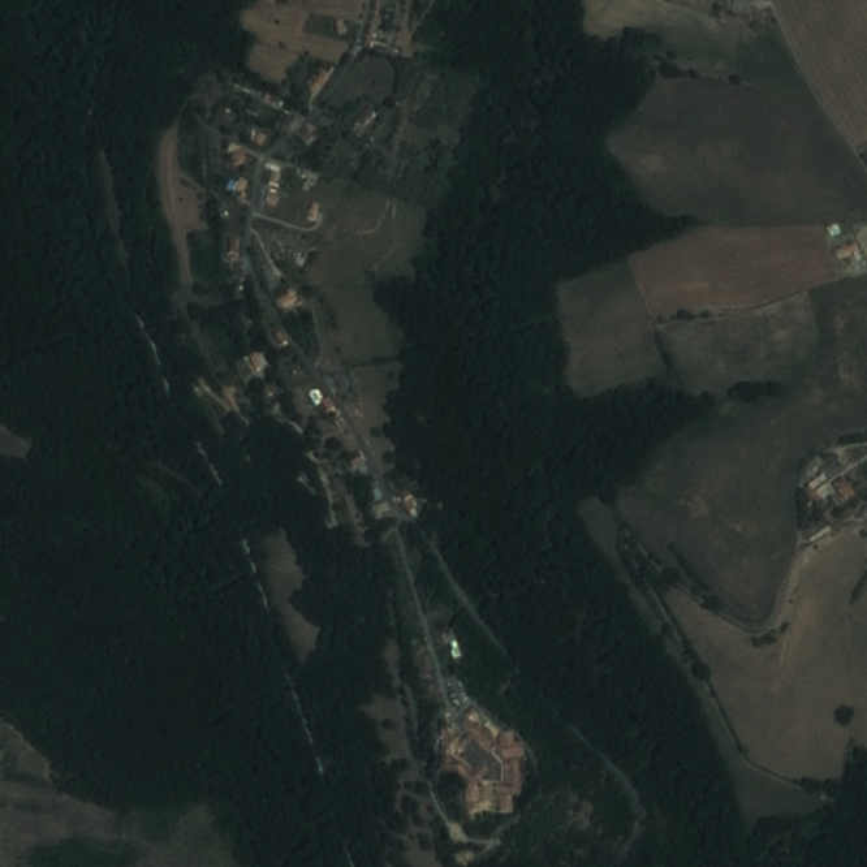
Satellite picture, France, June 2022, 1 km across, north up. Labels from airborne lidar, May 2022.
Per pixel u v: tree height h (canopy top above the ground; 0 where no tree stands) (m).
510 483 7
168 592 23
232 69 7
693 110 0
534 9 13
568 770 18
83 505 16
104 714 24
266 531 19
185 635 22
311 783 25
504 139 28
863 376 0
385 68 0
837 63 0
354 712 20
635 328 0
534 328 16
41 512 27
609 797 14
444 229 24
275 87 9
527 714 16
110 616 19
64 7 15
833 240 0
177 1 31
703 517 0
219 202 8
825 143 0
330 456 11
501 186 27
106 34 21
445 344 27
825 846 30
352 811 18
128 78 21
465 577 21
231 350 7
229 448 16
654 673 19
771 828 23
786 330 0
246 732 32
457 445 11
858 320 0
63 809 0
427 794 6
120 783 13
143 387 23
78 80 13
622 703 26
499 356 12
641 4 0
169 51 15
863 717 0
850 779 17
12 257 17
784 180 0
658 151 0
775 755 0
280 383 11
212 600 16
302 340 12
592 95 27
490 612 26
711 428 0
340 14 0
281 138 8
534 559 30
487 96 23
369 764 21
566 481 22
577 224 25
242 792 23
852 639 0
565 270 15
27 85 10
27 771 0
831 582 0
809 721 0
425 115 14
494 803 0
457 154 14
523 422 11
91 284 18
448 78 16
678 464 0
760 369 0
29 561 20
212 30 23
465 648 10
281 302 0
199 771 21
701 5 0
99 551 26
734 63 0
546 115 27
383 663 15
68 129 27
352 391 10
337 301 0
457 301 35
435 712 9
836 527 0
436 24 10
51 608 26
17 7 29
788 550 0
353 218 0
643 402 31
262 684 29
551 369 16
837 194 0
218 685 28
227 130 17
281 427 13
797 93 0
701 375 0
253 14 0
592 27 0
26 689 16
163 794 17
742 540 0
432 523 13
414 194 13
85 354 29
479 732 0
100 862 5
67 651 21
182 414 21
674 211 0
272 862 30
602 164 14
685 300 0
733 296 0
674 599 0
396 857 16
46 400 24
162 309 14
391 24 6
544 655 24
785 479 0
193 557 25
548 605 35
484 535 27
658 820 18
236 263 0
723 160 0
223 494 17
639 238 20
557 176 27
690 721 23
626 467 21
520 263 18
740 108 0
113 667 16
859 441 11
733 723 0
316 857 31
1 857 0
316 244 0
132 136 19
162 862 0
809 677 0
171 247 8
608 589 23
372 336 0
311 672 21
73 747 15
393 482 7
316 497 13
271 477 16
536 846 11
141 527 25
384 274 0
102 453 23
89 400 22
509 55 27
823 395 0
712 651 0
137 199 21
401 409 19
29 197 31
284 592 0
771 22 0
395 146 8
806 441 0
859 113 0
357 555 17
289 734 29
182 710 25
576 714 24
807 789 14
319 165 7
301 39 0
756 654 0
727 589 0
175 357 18
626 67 21
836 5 0
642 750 27
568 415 18
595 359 0
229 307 12
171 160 0
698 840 17
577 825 10
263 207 0
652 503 0
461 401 19
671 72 14
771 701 0
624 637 21
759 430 0
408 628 9
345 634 17
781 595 0
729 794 18
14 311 24
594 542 12
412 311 25
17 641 23
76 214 22
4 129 25
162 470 10
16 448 0
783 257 0
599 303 0
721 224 0
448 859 11
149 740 22
